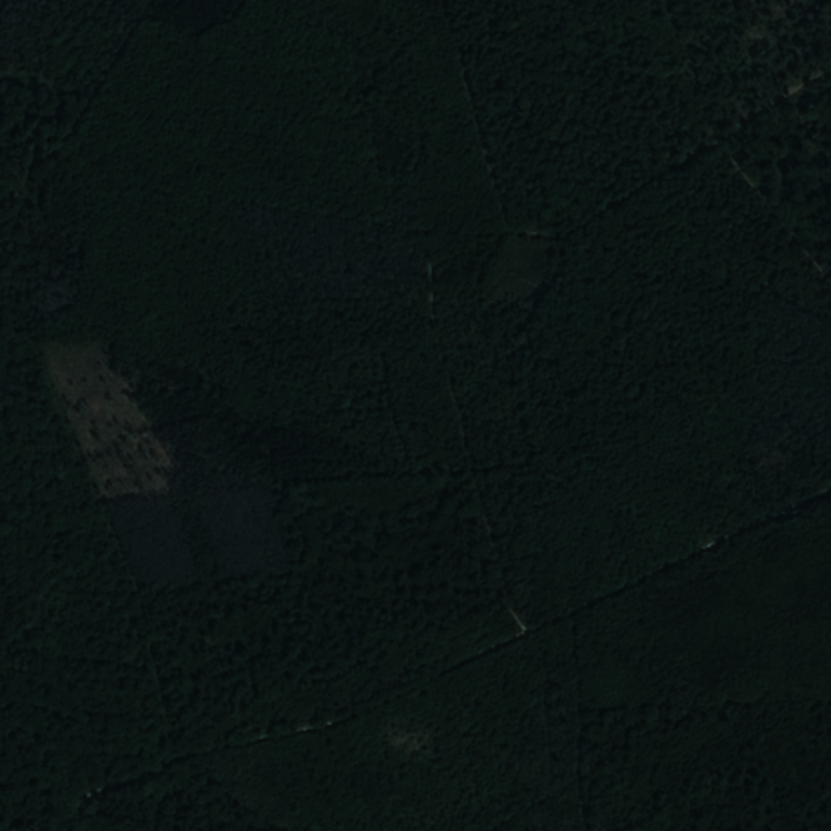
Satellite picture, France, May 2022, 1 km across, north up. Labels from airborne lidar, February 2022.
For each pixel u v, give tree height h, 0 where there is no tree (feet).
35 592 78
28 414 82
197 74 76
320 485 63
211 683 31
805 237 69
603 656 54
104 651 65
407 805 31
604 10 78
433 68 58
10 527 74
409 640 73
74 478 67
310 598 74
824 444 67
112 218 80
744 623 49
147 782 99
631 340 74
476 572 53
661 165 65
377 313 65
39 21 74
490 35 76
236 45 72
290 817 43
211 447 65
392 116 31
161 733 31
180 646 71
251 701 60
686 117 86
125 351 67
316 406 68
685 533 63
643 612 55
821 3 94
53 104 73
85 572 58
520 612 48
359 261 67
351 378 27
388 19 51
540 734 63
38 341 64
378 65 31
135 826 52
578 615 47
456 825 31
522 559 64
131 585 55
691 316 67
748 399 59
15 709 69
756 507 57
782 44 85
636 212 74
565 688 42
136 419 0
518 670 34
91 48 70
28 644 64
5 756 82
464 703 31
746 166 79
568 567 68
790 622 58
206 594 71
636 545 57
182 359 67
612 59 82
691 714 48
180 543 56
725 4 94
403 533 43
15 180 84
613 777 52
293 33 73
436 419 81
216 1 33
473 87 68
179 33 59
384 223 66
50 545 20
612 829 38
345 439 24
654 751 46
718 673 61
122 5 73
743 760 54
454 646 25
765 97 72
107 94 73
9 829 88
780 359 61
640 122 74
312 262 67
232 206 54
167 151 70
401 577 68
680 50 78
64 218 65
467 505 82
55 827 79
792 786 47
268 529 52
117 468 0
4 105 91
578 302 77
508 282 0
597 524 66
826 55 91
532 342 70
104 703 74
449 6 54
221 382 70
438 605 84
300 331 74
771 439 73
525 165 73
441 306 28
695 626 54
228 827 82
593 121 85
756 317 65
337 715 56
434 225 69
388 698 50
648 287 73
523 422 31
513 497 62
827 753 31
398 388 70
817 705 58
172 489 60
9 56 84
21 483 75
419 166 60
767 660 73
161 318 70
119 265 65
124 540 58
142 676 60
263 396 85
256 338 75
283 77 74
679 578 57
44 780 89
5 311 80
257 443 65
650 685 56
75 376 0
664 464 74
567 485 67
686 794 88
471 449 37
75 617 71
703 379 72
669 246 71
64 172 80
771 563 57
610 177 70
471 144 64
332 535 82
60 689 72
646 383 75
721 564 57
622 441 69
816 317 59
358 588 65
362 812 29
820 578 48
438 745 25
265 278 66
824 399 67
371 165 64
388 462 31
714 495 51
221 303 64
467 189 57
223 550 55
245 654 79
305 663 78
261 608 68
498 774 31
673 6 73
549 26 76
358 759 20
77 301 72
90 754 82
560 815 58
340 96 52
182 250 64
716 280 74
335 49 62
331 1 52
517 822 46
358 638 76
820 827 62
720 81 61
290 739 29
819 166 76
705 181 67
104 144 80
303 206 59
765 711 54
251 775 39
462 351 33
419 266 65
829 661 57
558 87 79
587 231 68
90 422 0
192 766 65
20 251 79
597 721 42
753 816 40
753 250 76
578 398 73
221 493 68
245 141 66
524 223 68
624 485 68
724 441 60
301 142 72
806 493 31
